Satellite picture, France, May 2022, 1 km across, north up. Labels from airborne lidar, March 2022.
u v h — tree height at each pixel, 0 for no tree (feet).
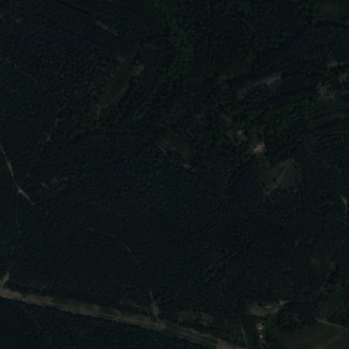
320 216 35
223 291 81
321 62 41
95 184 68
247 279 103
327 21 0
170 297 68
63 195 69
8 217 37
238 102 44
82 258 65
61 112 28
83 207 80
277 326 19
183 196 54
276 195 75
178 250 61
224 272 66
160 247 68
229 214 85
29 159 57
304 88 25
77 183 92
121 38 53
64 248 56
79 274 61
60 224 78
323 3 0
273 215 77
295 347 0
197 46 55
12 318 75
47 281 50
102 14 34
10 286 56
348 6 0
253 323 36
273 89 0
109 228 74
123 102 54
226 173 58
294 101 37
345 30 113
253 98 73
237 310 64
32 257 59
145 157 24
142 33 25
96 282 56
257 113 45
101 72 95
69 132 48
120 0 19
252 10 103
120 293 48
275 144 52
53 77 105
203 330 68
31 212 62
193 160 33
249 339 0
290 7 61
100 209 85
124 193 94
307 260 25
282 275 47
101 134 84
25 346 63
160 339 47
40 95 43
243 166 94
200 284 58
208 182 110
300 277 31
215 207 89
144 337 51
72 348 48
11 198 57
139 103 120
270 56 103
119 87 0
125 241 69
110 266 65
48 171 69
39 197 26
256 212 77
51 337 48
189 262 61
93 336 53
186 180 68
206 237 65
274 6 63
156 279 73
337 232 103
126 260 69
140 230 74
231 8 25
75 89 72
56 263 52
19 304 80
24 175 54
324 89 0
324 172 79
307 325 54
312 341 0
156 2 66
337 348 0
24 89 47
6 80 46
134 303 27
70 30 19
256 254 73
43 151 48
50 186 41
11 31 85
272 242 69
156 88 63
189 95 70
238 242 51
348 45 110
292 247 75
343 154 33
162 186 59
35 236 43
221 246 49
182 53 74
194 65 54
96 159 55
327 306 0
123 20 46
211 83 97
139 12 22
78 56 97
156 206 71
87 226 70
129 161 47
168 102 84
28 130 45
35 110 43
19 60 89
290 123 59
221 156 75
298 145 67
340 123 52
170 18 86
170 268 49
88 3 42
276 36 71
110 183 82
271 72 95
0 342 64
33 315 46
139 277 79
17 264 57
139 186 85
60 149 70
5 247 29
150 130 69
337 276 89
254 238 73
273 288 57
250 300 94
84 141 66
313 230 29
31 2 46
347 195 20
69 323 64
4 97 48
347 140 40
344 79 0
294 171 0
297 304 83
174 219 67
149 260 69
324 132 48
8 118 33
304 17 45
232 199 104
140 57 103
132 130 71
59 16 21
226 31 53
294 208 23
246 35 37
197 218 60
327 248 97
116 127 61
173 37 88
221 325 31
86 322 67
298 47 100
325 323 0
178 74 26
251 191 112
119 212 84
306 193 28
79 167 49
